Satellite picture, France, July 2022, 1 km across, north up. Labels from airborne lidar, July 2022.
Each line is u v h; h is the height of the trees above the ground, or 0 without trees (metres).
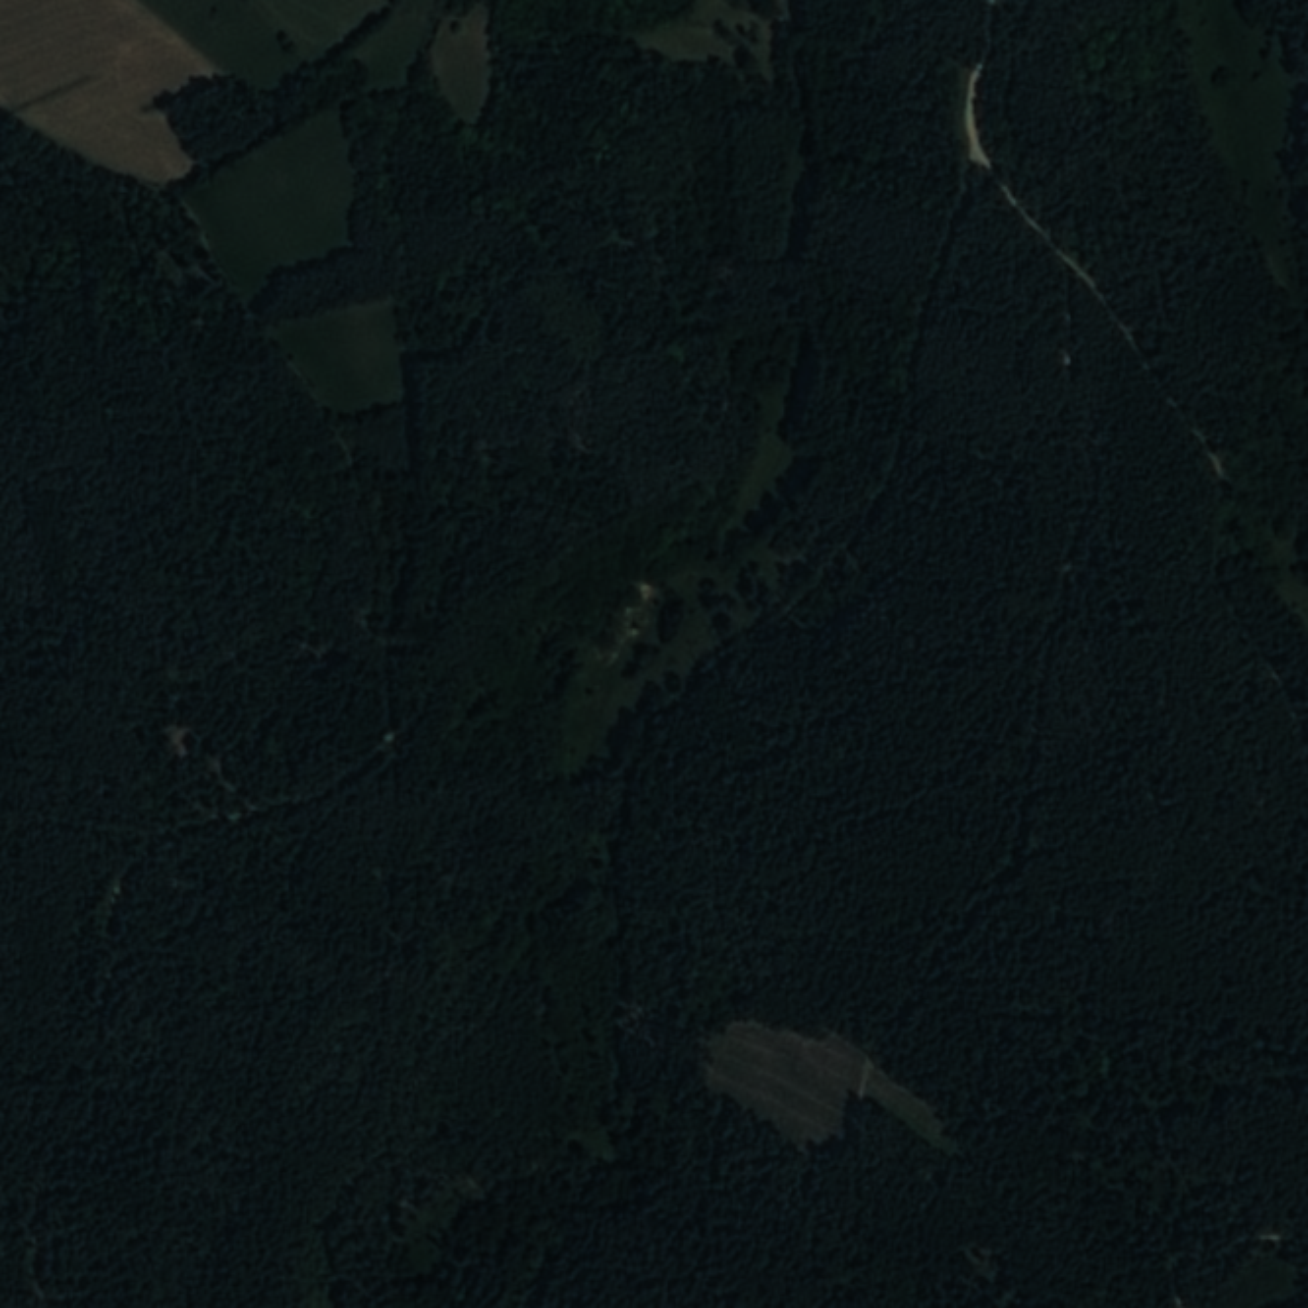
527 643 20
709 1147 12
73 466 19
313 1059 23
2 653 24
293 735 24
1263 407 22
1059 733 22
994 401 17
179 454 22
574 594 19
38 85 0
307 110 13
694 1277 33
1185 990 26
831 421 27
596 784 25
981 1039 25
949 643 24
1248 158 0
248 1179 21
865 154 13
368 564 21
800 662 26
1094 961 27
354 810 20
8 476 17
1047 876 23
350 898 26
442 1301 21
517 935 25
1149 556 19
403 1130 23
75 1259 17
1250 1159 25
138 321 11
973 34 14
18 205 14
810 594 15
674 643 11
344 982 21
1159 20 19
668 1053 26
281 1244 26
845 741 27
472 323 7
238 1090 20
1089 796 24
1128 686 22
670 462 27
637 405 25
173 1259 16
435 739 18
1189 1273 16
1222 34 0
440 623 21
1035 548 22
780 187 24
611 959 6
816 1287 32
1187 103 19
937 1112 9
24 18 0
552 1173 17
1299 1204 25
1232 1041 22
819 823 26
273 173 0
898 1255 24
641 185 17
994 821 24
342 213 0
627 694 0
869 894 26
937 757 29
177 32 0
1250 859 30
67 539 21
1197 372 26
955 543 22
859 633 28
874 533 21
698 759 25
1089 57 19
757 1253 32
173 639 25
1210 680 26
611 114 17
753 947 16
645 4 22
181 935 20
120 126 0
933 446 19
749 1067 0
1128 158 17
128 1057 21
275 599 21
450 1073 28
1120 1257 16
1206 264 33
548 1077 26
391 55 0
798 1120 0
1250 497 13
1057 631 18
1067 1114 25
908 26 15
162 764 19
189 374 20
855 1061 0
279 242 0
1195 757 27
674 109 21
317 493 18
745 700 24
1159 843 24
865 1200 20
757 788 22
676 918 22
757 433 21
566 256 19
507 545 18
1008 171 13
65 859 22
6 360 19
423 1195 27
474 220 22
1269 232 0
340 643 27
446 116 14
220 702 19
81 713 21
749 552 17
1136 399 20
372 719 19
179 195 12
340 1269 28
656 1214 24
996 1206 16
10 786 20
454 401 19
